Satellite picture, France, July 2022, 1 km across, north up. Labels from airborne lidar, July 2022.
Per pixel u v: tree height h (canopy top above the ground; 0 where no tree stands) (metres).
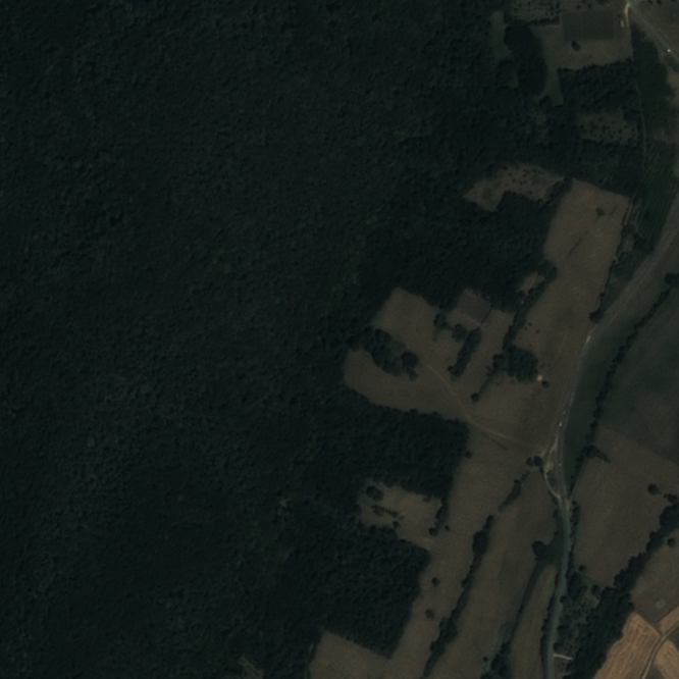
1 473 22
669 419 0
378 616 11
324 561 25
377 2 23
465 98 25
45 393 21
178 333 19
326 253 16
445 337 0
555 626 0
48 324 23
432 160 25
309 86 22
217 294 21
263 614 23
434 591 0
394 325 0
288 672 21
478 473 0
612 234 0
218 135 18
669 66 0
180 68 19
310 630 19
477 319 0
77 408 16
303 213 16
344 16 29
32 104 23
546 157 22
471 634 0
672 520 21
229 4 19
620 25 0
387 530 12
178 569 22
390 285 15
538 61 11
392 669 0
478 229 7
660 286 0
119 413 9
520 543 0
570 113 23
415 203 22
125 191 27
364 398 16
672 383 0
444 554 0
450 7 29
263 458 21
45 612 15
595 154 18
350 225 13
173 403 15
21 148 21
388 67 19
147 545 21
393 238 24
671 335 0
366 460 24
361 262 18
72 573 18
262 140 18
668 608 0
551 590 0
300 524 20
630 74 20
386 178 22
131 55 29
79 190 24
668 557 0
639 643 0
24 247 24
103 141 25
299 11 29
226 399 25
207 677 25
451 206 19
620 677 0
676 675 0
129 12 30
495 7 13
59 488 14
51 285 23
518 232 24
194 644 22
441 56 23
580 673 14
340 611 22
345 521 22
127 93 23
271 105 19
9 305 23
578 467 7
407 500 0
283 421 25
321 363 28
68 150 18
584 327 0
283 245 17
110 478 12
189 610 15
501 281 9
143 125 18
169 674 16
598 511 0
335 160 18
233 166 13
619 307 0
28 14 21
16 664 19
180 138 17
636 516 0
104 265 25
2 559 23
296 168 19
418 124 22
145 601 24
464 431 22
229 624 26
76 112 24
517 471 0
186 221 19
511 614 0
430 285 28
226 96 19
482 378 0
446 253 27
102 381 14
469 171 27
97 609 21
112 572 23
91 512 14
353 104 21
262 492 20
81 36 20
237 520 20
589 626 8
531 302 8
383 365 13
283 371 18
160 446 18
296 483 29
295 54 21
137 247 24
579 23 0
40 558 18
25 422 28
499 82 14
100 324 20
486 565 0
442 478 19
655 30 0
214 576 21
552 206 10
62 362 17
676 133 0
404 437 26
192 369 16
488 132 24
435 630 0
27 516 28
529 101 17
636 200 7
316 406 18
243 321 22
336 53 27
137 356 11
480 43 23
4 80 22
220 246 17
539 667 0
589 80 14
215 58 21
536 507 0
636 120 6
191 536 24
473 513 0
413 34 25
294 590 25
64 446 19
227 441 20
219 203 22
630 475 0
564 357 0
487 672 0
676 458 0
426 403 0
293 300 17
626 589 16
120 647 20
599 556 0
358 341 20
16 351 29
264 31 19
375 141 15
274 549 29
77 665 22
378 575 22
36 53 20
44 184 20
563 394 0
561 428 0
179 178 18
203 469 21
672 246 0
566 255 0
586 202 0
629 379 0
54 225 23
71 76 20
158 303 21
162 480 21
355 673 0
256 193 19
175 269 21
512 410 0
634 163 15
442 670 0
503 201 6
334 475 25
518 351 19
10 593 24
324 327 26
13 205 19
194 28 19
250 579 28
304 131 21
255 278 17
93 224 21
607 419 0
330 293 22
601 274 0
